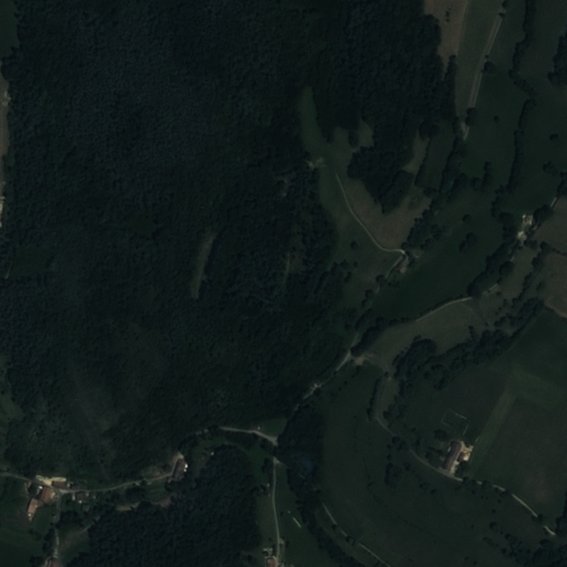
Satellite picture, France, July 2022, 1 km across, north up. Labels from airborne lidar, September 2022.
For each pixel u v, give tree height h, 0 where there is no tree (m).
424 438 0
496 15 0
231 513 17
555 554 25
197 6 19
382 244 0
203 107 16
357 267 9
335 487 0
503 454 0
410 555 0
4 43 0
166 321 17
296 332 7
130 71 18
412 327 0
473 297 29
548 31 0
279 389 20
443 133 0
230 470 15
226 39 21
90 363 10
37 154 14
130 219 19
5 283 19
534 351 0
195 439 19
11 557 0
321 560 0
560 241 0
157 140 20
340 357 24
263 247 20
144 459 7
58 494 0
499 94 0
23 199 18
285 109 16
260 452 0
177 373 18
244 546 16
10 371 10
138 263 16
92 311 13
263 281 27
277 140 24
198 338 16
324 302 24
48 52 20
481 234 0
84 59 18
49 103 18
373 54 24
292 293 13
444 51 0
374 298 20
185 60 19
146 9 21
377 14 29
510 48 0
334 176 0
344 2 7
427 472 0
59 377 14
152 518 24
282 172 28
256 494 18
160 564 13
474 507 0
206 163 16
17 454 9
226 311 23
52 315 8
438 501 0
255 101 21
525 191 0
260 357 19
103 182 14
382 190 16
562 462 0
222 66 15
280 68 10
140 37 21
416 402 0
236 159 14
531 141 0
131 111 30
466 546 0
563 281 0
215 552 18
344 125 10
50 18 16
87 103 21
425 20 22
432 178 0
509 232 21
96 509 11
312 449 22
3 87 0
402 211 0
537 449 0
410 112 23
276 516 0
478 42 0
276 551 7
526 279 7
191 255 17
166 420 10
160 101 22
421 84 19
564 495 0
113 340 12
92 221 20
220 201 16
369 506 0
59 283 5
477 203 0
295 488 15
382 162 26
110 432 8
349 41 10
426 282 0
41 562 18
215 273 30
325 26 9
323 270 26
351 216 0
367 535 0
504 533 8
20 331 16
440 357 6
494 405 0
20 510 0
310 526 18
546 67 0
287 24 25
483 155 0
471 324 0
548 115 0
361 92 25
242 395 17
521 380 0
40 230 19
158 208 18
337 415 0
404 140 22
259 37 24
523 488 0
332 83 12
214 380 11
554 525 0
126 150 27
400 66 24
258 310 12
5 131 0
